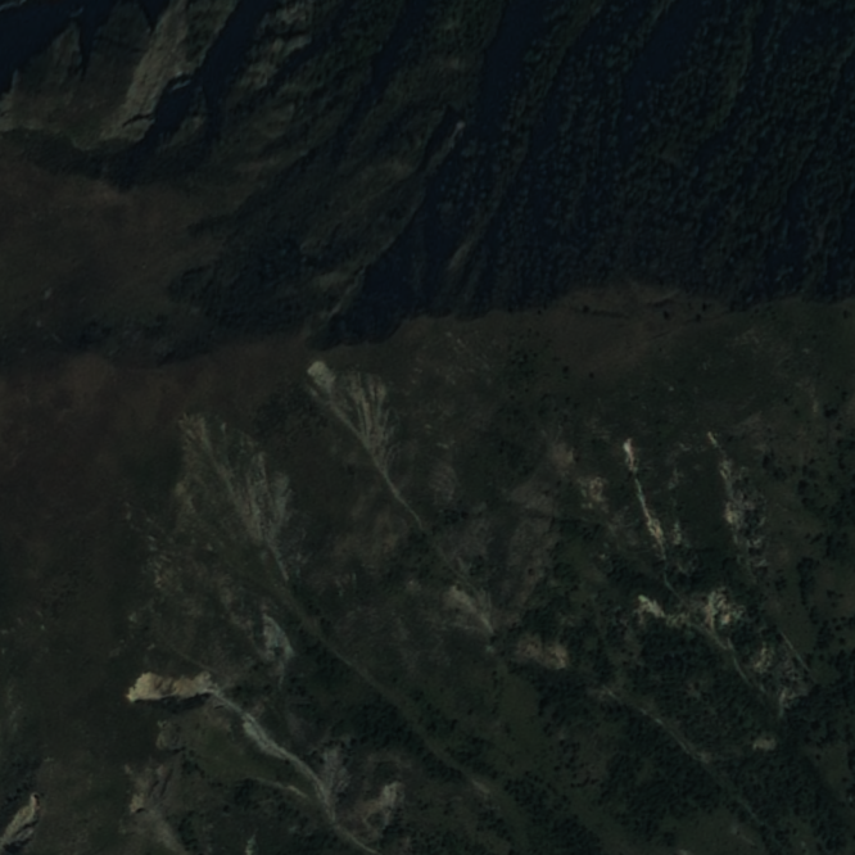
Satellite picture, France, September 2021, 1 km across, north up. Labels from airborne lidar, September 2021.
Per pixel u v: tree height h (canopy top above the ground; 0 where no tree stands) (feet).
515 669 21
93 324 0
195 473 0
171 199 0
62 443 0
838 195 27
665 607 29
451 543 0
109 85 0
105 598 0
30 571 0
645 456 0
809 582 47
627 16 33
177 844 0
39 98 0
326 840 36
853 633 36
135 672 0
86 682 0
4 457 0
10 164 0
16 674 0
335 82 21
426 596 0
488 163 27
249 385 0
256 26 26
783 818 40
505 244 25
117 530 0
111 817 0
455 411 0
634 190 27
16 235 0
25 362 0
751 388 0
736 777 58
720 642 0
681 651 34
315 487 0
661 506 25
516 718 0
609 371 0
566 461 0
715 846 0
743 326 0
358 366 0
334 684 23
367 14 26
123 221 0
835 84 38
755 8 51
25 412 0
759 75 24
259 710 0
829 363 0
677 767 46
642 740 32
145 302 0
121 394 0
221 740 0
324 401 0
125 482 0
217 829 0
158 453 0
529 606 28
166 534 0
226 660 0
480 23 27
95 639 0
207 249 0
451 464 0
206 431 0
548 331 0
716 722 26
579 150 23
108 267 0
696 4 52
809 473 22
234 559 0
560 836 42
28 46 18
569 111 23
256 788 20
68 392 0
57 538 0
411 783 0
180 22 0
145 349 0
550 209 29
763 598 26
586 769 27
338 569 0
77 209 0
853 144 31
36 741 0
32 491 0
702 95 27
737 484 25
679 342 0
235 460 0
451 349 0
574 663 19
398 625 0
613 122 31
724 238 28
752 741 31
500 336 0
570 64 27
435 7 23
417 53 23
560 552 28
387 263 18
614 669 34
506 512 0
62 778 0
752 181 33
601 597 23
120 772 0
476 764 27
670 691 33
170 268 0
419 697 26
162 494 0
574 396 0
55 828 0
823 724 55
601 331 0
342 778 0
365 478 0
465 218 22
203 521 0
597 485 0
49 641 0
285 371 0
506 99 26
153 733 0
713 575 26
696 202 27
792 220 27
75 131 0
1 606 0
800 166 42
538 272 19
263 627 0
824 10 28
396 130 20
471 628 0
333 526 0
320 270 23
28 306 0
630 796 35
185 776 29
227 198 0
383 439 0
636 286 0
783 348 0
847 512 21
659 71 28
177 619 0
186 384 0
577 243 29
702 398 0
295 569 0
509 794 31
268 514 0
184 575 0
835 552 50
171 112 30
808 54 49
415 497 0
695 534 0
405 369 0
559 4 21
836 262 24
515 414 24
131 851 28
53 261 0
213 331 0
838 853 74
